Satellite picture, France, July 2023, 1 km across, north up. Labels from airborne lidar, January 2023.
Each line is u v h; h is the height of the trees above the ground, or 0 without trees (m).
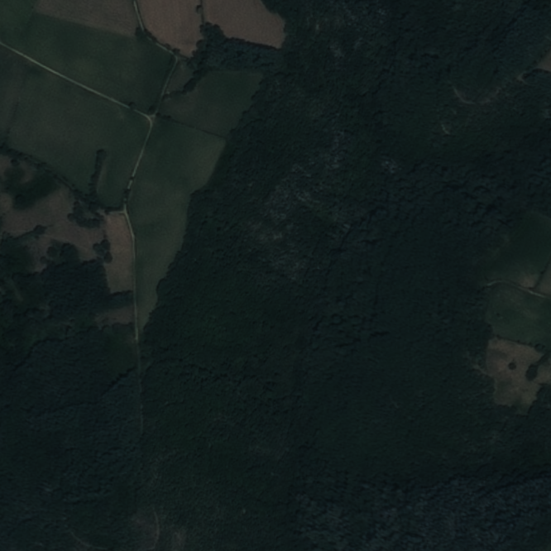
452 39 26
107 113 0
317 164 16
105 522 14
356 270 26
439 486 31
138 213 0
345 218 34
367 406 17
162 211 0
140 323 0
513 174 19
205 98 0
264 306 24
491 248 23
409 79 26
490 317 0
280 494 22
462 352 15
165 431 19
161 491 15
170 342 21
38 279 14
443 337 18
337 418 19
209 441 21
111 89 0
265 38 0
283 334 24
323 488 23
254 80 0
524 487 25
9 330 9
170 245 0
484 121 14
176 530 7
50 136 0
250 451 20
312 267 15
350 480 14
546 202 11
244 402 27
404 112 22
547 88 23
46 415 22
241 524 13
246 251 24
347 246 23
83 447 17
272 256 16
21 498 14
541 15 27
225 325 22
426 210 24
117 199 0
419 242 19
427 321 22
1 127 0
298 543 21
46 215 0
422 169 25
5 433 11
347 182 19
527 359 0
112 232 0
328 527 18
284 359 32
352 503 8
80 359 10
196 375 26
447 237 23
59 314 15
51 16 0
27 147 0
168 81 0
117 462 15
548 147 22
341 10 11
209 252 27
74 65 0
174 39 0
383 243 20
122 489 8
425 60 19
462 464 14
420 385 16
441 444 14
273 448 13
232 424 16
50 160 0
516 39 25
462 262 20
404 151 21
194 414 19
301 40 7
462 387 12
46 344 12
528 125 26
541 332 0
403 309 22
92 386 12
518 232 8
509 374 0
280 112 20
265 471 23
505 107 15
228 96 0
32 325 17
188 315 23
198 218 14
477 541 21
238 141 9
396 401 11
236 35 0
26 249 8
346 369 18
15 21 0
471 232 25
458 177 26
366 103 25
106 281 10
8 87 0
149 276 0
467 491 27
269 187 21
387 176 21
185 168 0
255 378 26
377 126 21
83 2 0
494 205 10
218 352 25
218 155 0
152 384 18
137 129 0
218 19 0
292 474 25
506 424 15
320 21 12
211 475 19
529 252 0
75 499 22
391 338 18
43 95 0
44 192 0
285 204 18
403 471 22
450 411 19
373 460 22
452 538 18
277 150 22
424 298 21
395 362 16
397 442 18
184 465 21
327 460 20
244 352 25
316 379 24
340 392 18
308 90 7
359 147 15
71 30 0
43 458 21
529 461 10
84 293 21
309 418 23
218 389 27
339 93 21
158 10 0
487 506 23
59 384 13
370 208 28
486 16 16
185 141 0
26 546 10
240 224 17
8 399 24
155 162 0
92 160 0
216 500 12
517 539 24
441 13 7
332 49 17
